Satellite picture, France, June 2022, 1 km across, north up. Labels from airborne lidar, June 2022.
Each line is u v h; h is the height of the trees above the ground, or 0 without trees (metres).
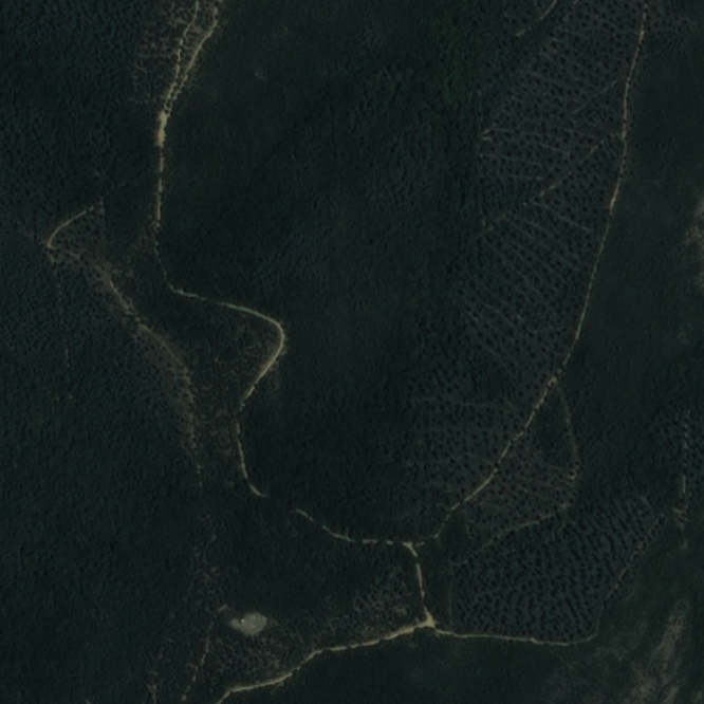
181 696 8
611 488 12
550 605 18
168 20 7
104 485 10
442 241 14
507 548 15
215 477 11
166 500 15
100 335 6
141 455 11
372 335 8
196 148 9
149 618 9
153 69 9
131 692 6
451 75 14
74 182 10
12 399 17
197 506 9
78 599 14
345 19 6
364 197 11
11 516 13
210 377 7
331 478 16
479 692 8
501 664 6
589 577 18
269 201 13
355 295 17
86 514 17
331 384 10
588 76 15
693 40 6
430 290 13
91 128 16
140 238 9
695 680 7
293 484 7
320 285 15
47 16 18
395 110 13
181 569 11
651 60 12
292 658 14
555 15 7
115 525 14
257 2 8
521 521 5
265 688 7
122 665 8
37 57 19
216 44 6
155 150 8
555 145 7
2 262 16
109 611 6
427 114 18
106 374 10
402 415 18
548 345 12
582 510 11
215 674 16
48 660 14
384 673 7
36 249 13
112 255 8
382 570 9
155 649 9
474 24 14
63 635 14
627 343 7
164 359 13
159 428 11
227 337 9
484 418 16
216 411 9
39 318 16
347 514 19
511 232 16
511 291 10
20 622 16
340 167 12
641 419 9
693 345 7
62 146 18
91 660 8
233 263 21
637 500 22
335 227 6
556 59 6
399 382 19
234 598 9
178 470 9
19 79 18
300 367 8
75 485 14
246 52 7
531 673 7
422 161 22
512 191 15
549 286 7
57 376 7
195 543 8
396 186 16
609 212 8
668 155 12
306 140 23
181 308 13
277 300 12
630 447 13
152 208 8
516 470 6
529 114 9
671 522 8
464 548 8
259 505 18
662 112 13
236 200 17
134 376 14
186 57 6
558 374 11
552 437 8
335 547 9
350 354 7
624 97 10
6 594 13
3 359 13
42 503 13
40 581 18
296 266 15
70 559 16
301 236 20
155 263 11
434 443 17
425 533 9
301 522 14
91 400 12
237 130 7
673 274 8
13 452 17
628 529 18
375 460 16
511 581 17
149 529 13
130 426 13
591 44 6
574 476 16
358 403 15
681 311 12
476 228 15
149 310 10
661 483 12
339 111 17
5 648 18
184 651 8
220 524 12
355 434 12
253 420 11
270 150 7
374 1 16
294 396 9
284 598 11
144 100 10
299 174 18
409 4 8
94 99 15
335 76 12
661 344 6
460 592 9
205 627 6
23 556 15
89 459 13
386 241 10
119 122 13
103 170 19
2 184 17
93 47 14
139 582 6
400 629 8
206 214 9
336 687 10
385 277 10
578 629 14
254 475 15
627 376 7
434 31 14
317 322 9
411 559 11
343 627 11
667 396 13
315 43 11
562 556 21
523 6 7
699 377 15
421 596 6
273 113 9
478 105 8
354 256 8
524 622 14
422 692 9
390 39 9
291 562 12
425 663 6
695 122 7
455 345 18
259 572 11
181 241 11
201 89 5
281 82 11
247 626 0
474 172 17
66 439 19
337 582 9
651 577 14
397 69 9
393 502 18
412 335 20
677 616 6
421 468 19
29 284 14
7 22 16
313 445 15
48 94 12
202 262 14
